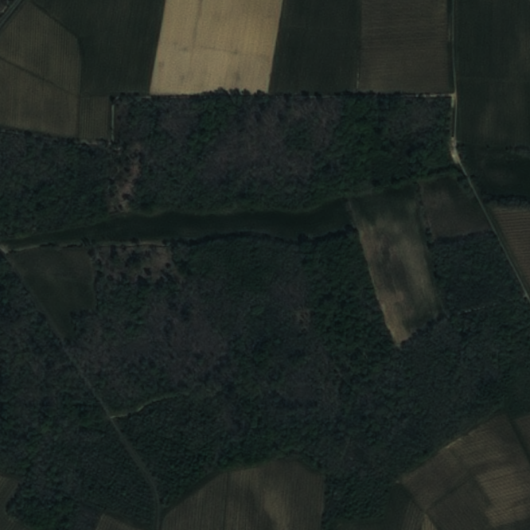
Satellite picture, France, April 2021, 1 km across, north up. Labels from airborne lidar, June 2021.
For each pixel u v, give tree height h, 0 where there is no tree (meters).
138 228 0
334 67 0
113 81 0
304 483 0
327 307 25
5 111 0
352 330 12
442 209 0
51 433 20
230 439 19
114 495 12
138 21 0
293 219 0
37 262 0
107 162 16
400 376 19
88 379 14
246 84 0
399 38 0
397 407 17
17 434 13
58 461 18
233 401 22
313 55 0
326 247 17
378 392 16
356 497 11
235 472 0
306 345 16
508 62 0
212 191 18
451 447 0
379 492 10
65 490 18
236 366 23
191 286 17
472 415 20
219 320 13
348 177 16
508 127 0
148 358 11
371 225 0
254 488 0
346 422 17
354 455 7
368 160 13
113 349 10
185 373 9
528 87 0
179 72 0
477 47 0
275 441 16
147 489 9
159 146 24
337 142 16
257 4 0
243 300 19
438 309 0
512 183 0
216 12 0
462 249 20
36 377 16
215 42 0
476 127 0
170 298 17
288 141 12
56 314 0
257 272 19
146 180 12
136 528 0
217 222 0
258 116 16
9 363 15
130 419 10
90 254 0
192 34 0
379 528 0
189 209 19
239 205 16
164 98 9
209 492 0
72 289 0
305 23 0
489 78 0
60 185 17
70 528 10
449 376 11
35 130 0
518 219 0
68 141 10
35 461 17
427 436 18
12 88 0
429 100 14
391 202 0
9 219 26
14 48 0
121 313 19
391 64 0
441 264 19
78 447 14
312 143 12
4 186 17
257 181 13
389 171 8
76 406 21
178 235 0
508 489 0
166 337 16
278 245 16
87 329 20
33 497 9
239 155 12
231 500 0
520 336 12
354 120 18
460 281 23
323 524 6
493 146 0
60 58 0
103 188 19
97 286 12
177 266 23
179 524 0
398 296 0
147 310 18
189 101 15
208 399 14
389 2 0
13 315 21
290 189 20
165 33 0
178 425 7
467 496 0
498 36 0
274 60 0
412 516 0
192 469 10
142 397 11
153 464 16
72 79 0
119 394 12
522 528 0
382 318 18
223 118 24
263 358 29
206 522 0
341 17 0
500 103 0
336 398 9
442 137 19
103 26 0
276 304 20
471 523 0
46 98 0
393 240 0
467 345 23
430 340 18
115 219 0
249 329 20
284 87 0
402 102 22
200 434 16
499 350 21
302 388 12
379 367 23
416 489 0
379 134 25
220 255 20
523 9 0
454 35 0
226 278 11
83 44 0
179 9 0
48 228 12
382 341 15
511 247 0
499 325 9
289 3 0
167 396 10
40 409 12
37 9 0
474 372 23
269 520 0
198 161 17
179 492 10
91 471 13
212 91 0
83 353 20
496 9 0
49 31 0
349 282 19
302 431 19
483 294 24
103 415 23
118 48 0
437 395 19
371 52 0
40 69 0
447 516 0
